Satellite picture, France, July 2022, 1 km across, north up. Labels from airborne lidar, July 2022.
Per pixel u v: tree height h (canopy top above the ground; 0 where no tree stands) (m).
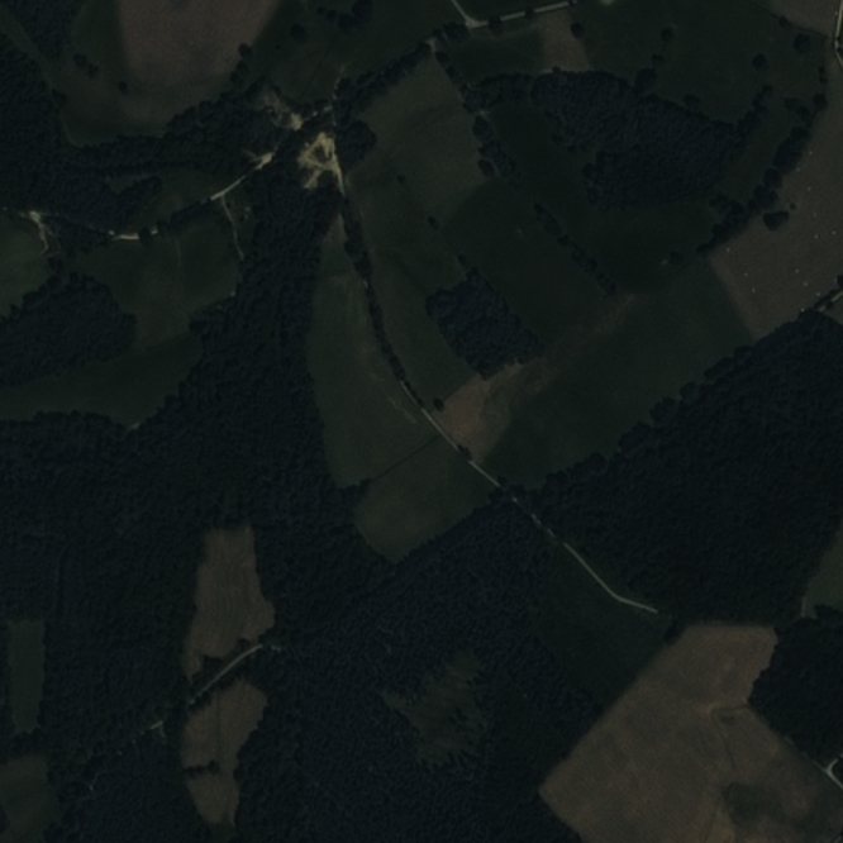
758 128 13
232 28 0
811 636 18
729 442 20
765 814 0
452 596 22
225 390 22
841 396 18
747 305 0
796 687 21
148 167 24
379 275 0
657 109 27
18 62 15
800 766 0
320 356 0
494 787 18
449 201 0
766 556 19
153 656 14
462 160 0
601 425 0
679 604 18
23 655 0
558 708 23
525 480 0
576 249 13
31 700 0
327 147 0
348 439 0
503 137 0
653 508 21
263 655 15
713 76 0
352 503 17
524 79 10
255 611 0
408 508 0
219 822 0
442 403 11
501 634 26
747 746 0
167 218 0
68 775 16
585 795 0
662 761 0
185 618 11
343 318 0
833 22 0
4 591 24
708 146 26
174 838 21
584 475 22
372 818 26
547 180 0
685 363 0
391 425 0
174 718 18
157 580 16
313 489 22
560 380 0
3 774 0
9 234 0
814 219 0
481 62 0
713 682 0
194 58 0
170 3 0
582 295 0
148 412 0
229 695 0
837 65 0
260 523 14
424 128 0
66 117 0
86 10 0
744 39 0
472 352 11
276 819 18
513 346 28
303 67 0
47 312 21
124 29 0
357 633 22
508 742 17
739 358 17
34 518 16
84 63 15
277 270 15
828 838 0
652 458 19
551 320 0
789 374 21
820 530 28
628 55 0
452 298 17
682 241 0
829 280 0
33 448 14
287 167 12
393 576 25
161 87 0
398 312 0
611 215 0
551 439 0
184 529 17
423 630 25
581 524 24
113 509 11
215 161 17
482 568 25
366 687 25
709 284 0
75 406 0
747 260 0
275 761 20
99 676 18
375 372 0
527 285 0
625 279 0
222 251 0
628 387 0
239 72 15
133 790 23
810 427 18
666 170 26
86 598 17
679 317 0
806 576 22
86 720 15
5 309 0
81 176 31
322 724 23
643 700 0
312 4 0
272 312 17
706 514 17
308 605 18
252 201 7
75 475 20
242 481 14
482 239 0
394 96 0
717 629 0
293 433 24
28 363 22
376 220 0
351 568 14
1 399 0
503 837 22
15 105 26
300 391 23
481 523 22
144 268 0
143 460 10
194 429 11
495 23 16
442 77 0
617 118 24
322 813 23
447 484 0
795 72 0
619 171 27
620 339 0
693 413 19
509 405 0
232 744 0
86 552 19
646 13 0
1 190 21
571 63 0
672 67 0
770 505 20
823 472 24
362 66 0
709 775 0
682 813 0
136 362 0
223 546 0
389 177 0
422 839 27
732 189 0
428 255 0
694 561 20
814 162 0
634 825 0
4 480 20
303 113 13
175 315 0
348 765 21
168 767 23
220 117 19
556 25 0
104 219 26
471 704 0
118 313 21
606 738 0
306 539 18
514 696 10
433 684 0
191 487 10
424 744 0
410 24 0
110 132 0
